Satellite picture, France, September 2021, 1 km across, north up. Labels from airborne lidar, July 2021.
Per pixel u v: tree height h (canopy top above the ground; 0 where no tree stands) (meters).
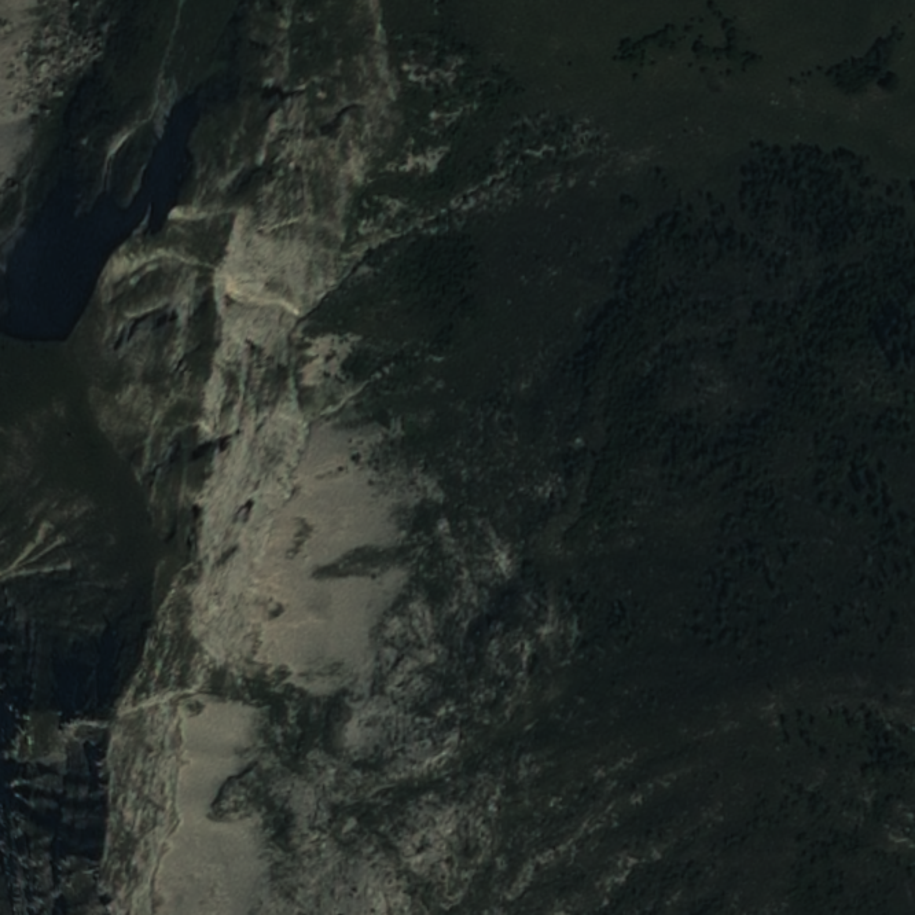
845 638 7
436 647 0
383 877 0
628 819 0
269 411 0
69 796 0
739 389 0
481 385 0
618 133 0
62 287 0
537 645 0
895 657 0
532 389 0
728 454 8
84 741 0
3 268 0
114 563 0
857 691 0
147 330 0
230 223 0
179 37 0
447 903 0
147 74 0
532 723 0
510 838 0
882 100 0
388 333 0
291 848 0
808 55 0
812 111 0
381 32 0
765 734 0
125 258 0
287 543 0
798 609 0
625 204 8
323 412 0
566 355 0
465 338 0
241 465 0
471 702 0
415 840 0
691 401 0
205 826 0
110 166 0
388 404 0
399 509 0
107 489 0
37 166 0
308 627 0
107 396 0
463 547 0
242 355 0
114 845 0
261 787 0
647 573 0
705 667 0
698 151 0
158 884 0
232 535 0
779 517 12
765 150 8
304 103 0
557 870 0
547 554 0
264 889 0
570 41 0
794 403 9
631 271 8
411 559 0
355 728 0
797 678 0
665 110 0
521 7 0
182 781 0
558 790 0
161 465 0
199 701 0
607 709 0
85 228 0
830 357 9
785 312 9
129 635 0
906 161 0
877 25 0
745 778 0
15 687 0
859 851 6
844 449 8
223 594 0
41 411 0
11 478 0
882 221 7
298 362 0
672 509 0
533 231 0
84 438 0
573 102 0
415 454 0
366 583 0
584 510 7
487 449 0
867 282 7
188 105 0
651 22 0
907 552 8
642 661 0
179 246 0
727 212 7
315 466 0
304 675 0
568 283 0
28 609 0
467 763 0
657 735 0
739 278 0
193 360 0
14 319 0
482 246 0
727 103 0
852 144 0
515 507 0
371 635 0
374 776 0
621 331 7
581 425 0
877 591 15
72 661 0
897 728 9
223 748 0
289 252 0
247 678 0
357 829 0
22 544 0
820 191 6
